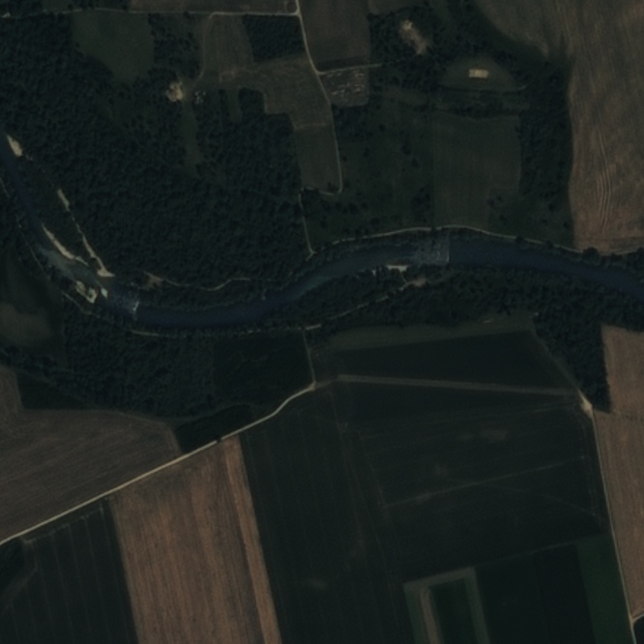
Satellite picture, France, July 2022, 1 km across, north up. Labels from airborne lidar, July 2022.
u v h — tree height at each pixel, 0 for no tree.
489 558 0
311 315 13
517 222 0
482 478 0
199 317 0
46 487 0
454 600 0
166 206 10
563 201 0
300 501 0
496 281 0
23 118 14
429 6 11
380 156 0
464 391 0
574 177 0
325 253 11
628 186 0
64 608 0
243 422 6
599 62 0
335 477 0
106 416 0
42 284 0
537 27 0
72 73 7
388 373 0
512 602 0
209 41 0
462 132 0
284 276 13
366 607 0
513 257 0
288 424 0
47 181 13
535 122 6
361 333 0
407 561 0
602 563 0
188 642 0
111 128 5
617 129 0
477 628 0
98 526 0
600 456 0
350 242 11
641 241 0
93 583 0
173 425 0
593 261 15
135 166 17
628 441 0
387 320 6
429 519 0
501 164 0
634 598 0
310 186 0
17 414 0
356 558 0
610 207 0
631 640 0
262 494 0
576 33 0
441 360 0
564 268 0
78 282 0
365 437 0
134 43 0
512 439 0
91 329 14
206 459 0
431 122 0
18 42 17
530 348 0
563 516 0
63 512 0
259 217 6
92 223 6
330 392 0
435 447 0
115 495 0
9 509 0
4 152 0
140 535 0
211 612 0
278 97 0
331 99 0
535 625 0
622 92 0
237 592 0
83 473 0
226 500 0
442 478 0
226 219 20
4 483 0
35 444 0
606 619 0
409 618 0
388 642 0
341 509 0
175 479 0
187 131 0
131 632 0
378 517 0
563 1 0
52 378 19
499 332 0
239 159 15
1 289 0
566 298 7
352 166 0
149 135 15
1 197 9
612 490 0
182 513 0
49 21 13
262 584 0
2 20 12
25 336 0
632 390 0
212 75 0
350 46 0
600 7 0
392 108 0
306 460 0
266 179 14
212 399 17
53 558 0
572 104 0
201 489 0
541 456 0
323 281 0
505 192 0
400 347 0
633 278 0
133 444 0
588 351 7
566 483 0
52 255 0
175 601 0
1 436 0
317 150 0
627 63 0
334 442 0
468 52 12
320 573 0
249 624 0
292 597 0
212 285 12
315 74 0
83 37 0
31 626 0
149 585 0
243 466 0
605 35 0
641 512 0
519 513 0
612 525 0
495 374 0
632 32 0
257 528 0
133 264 13
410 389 0
